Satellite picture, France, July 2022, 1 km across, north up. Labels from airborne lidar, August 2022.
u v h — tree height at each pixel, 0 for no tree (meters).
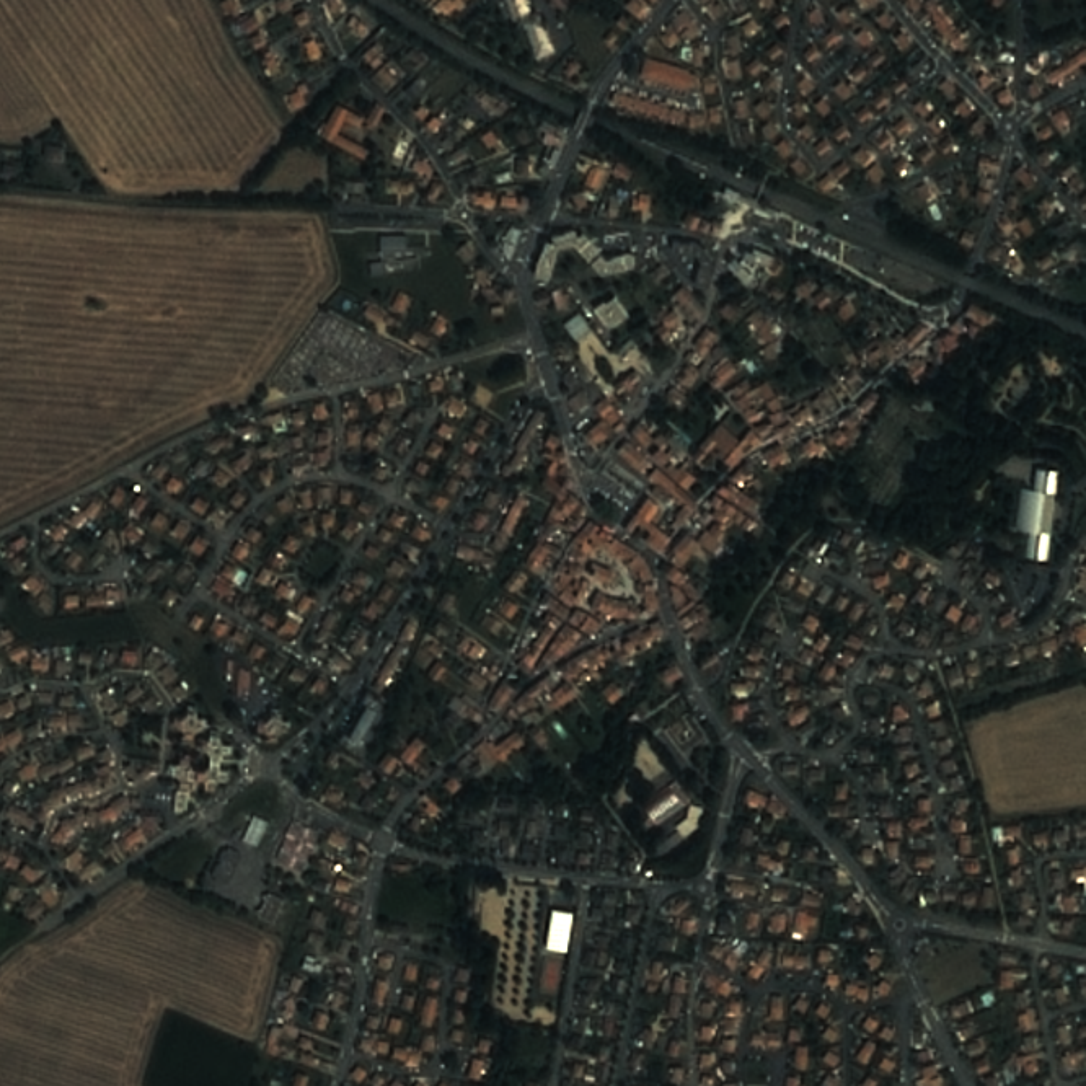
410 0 7
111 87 0
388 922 12
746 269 0
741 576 8
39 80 0
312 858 9
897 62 6
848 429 0
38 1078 0
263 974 0
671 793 0
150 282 0
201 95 0
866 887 0
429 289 0
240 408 8
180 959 0
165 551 6
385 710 9
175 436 0
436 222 0
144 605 0
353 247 0
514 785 8
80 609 6
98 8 0
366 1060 0
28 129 0
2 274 0
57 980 0
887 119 5
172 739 7
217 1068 0
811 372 20
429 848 8
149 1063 0
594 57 0
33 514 0
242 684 0
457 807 12
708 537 0
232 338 0
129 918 0
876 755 6
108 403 0
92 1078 0
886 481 0
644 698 6
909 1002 0
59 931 0
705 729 12
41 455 0
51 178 0
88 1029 0
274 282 0
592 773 19
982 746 0
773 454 0
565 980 6
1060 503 8
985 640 0
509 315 0
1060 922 6
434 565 7
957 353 15
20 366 0
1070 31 13
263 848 0
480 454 6
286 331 0
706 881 0
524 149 10
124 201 0
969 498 23
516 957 8
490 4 6
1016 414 11
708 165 0
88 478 0
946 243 9
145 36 0
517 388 0
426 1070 0
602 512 16
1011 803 0
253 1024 0
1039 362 10
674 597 0
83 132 0
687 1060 0
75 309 0
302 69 6
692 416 7
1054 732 0
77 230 0
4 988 0
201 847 0
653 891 0
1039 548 0
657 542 0
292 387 0
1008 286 11
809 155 0
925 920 0
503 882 23
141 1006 0
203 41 0
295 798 0
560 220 0
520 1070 7
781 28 7
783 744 0
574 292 0
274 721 0
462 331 14
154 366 0
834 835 10
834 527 8
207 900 10
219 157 0
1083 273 10
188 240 0
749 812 6
